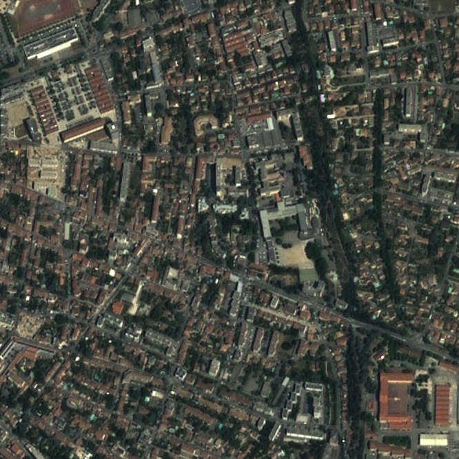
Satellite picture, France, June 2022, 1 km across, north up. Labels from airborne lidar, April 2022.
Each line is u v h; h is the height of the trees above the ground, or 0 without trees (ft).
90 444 28
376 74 0
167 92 35
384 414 0
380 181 46
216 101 19
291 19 0
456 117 0
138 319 70
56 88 0
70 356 22
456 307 57
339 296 21
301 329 0
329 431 29
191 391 23
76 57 25
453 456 0
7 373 0
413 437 0
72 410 28
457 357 40
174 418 28
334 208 25
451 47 19
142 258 0
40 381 36
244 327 0
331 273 0
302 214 0
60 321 69
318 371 20
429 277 0
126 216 26
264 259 0
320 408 0
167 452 17
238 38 0
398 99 31
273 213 0
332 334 30
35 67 0
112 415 26
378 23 27
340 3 19
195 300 0
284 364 20
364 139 44
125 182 0
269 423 27
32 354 0
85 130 0
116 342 42
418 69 0
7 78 53
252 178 30
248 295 0
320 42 39
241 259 0
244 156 0
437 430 0
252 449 35
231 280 0
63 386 0
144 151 35
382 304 23
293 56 29
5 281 0
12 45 18
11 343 0
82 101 0
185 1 0
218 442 0
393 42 0
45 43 0
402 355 41
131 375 0
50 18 0
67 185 20
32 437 22
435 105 19
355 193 24
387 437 30
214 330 0
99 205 0
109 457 0
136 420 53
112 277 22
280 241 43
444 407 0
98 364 0
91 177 31
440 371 0
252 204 74
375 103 40
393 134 0
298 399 26
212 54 38
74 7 0
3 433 0
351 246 30
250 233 54
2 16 21
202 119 0
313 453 63
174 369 0
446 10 0
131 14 0
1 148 0
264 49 28
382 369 52
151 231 0
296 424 0
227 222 42
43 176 0
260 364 22
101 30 39
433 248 61
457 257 40
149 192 21
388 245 38
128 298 0
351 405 52
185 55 21
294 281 0
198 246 63
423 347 0
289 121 0
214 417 24
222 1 48
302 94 25
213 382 35
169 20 43
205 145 19
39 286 25
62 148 0
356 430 33
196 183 0
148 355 26
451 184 23
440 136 23
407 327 36
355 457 29
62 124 0
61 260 0
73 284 0
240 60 43
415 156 40
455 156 0
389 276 40
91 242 34
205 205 0
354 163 38
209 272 0
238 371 0
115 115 0
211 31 0
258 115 0
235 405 0
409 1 18
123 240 0
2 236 23
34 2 0
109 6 37
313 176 60
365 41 0
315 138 31
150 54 0
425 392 47
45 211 0
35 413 19
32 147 0
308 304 0
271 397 36
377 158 42
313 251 85
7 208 43
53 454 35
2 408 0
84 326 49
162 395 0
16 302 29
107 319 0
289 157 0
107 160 22
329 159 23
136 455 73
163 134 0
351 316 36
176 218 32
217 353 19
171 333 73
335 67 63
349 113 29
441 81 23
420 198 0
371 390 43
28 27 0
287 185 0
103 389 0
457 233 37
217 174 0
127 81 24
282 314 0
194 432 21
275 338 0
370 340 49
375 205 43
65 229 0
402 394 0
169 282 0
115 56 48
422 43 0
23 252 0
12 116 0
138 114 0
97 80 0
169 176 18
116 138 0
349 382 50
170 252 0
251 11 35
